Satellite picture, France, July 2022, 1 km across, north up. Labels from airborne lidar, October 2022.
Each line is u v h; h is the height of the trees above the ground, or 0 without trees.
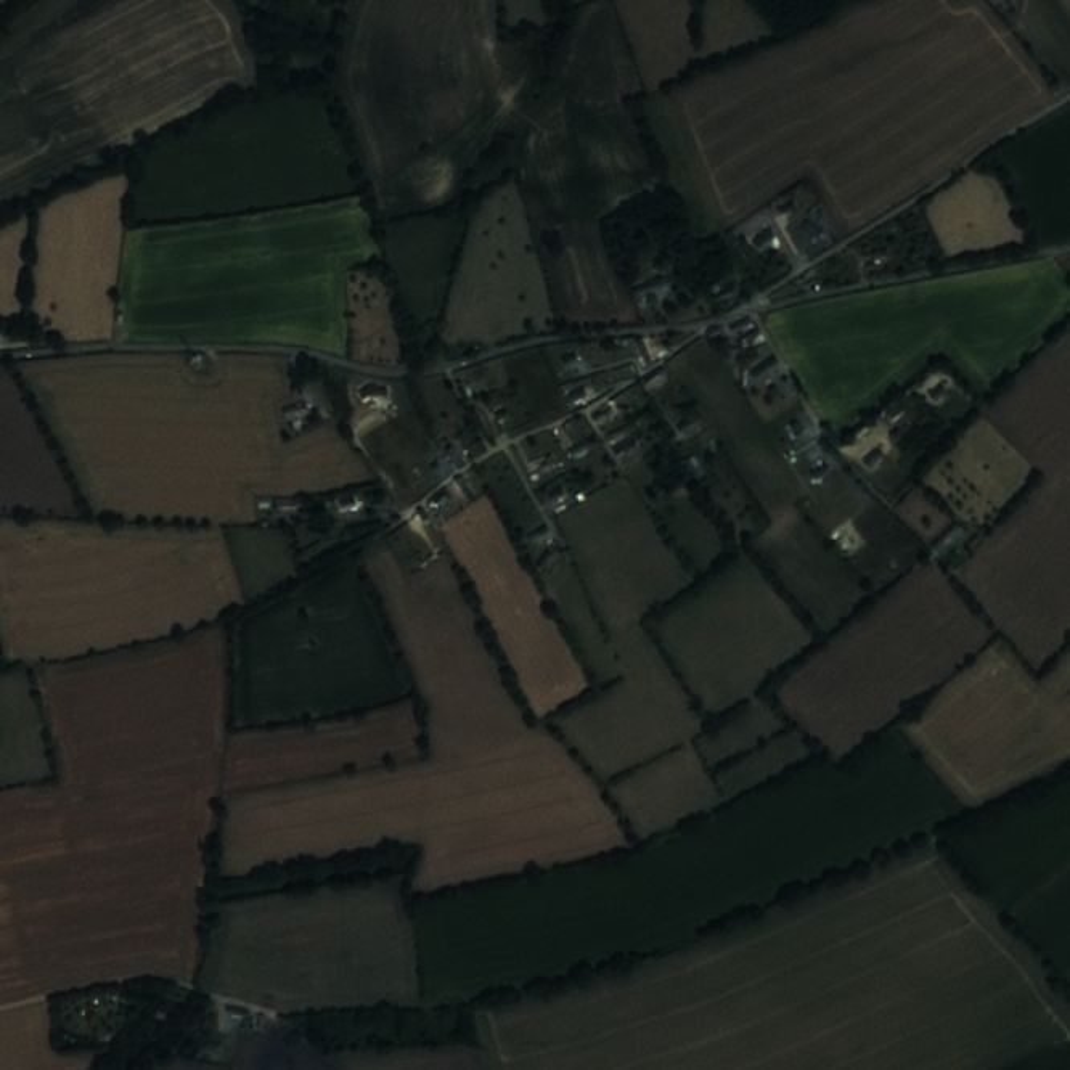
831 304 0
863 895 0
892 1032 0
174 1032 9
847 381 0
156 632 0
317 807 0
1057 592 0
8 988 0
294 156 0
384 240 15
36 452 0
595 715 0
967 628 0
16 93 0
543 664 0
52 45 0
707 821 13
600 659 0
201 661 0
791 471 0
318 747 0
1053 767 0
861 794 0
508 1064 0
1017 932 13
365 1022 15
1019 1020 0
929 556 14
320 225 0
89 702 0
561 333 18
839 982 0
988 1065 0
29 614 0
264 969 0
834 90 0
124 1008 7
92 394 0
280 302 0
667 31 0
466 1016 12
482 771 0
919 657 0
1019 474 0
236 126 0
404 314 20
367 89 0
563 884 0
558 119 0
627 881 0
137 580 0
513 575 0
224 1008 0
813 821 0
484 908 0
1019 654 8
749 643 0
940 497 12
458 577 6
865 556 0
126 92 0
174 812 0
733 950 0
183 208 0
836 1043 0
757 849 0
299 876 14
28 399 11
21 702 0
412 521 0
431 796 0
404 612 0
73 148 0
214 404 0
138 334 0
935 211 0
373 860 14
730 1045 0
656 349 0
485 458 0
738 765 12
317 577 9
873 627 0
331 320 0
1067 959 0
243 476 0
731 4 0
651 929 0
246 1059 0
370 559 0
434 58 0
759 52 11
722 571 14
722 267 6
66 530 0
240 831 0
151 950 0
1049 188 0
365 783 0
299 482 0
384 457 0
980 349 0
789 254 0
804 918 0
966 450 0
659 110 0
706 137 0
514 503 0
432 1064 0
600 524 0
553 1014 0
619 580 0
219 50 0
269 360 0
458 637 0
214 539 0
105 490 0
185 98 0
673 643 0
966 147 0
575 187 0
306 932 0
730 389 0
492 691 0
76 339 0
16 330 18
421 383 0
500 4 6
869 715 0
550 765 0
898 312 0
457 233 0
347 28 13
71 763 0
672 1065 0
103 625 0
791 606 9
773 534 0
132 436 0
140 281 0
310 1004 0
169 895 0
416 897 10
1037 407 0
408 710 0
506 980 0
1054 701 0
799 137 0
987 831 0
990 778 0
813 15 18
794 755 0
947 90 0
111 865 0
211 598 0
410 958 0
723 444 6
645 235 15
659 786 0
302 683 0
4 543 0
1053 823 0
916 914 0
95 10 0
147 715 0
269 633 0
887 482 0
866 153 0
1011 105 0
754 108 0
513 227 0
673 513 0
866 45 0
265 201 0
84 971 0
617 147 0
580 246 0
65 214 0
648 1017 0
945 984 0
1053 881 0
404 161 0
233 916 0
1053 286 0
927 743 0
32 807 0
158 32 0
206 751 0
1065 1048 0
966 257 12
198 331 0
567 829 0
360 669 0
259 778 0
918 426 6
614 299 0
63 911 0
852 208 0
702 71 13
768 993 0
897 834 0
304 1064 0
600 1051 0
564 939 0
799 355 0
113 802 0
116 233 0
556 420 0
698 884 0
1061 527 0
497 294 0
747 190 0
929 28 0
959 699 0
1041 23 0
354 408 0
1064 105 0
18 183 0
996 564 0
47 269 0
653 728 0
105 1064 21
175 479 0
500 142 10
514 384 8
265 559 0
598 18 0
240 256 0
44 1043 0
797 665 12
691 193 0
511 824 0
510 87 0
